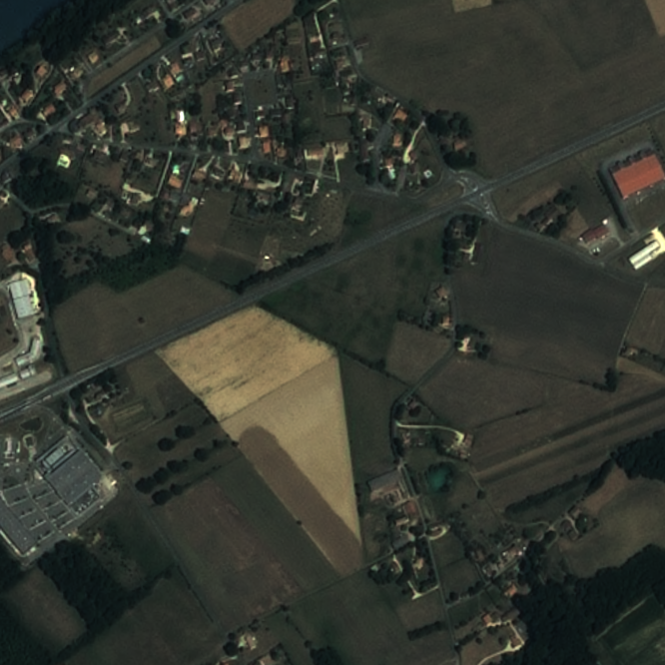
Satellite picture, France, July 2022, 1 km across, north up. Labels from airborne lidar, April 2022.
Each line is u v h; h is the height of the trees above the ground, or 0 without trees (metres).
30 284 0
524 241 0
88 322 0
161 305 0
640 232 0
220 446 16
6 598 0
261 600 0
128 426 0
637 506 0
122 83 0
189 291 0
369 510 0
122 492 0
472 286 0
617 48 0
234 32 0
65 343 0
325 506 0
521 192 0
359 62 0
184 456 0
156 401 0
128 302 0
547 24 0
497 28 0
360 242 0
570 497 0
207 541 0
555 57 0
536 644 24
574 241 0
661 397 0
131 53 0
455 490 0
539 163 0
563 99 0
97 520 0
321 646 0
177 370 0
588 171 0
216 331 0
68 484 0
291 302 0
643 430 0
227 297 0
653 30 0
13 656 7
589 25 0
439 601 0
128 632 0
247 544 0
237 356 0
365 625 0
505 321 0
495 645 0
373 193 0
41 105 6
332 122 0
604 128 0
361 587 0
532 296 0
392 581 12
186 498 0
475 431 0
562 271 0
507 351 0
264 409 0
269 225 0
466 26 0
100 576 10
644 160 0
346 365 0
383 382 0
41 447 0
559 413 0
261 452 0
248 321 0
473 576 0
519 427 0
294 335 0
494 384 0
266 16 0
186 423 0
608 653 0
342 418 0
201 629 0
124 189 0
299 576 0
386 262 0
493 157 0
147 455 0
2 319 0
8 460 0
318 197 0
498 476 0
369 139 12
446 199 0
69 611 0
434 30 0
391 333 0
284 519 0
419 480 0
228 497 0
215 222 0
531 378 0
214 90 0
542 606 20
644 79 0
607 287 0
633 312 0
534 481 0
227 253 0
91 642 6
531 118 0
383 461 0
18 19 0
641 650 0
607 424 0
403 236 0
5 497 0
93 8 27
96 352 0
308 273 0
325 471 0
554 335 0
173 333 0
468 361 0
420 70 0
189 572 0
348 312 0
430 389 0
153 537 0
